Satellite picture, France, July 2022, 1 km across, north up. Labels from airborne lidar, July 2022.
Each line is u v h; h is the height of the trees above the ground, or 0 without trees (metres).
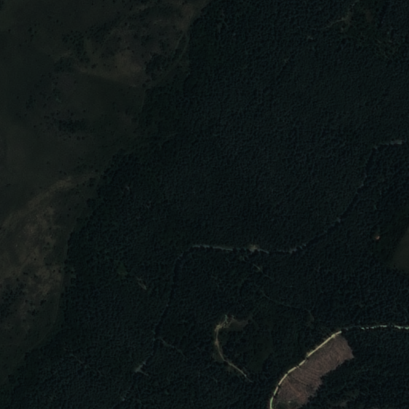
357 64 16
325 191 22
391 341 16
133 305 16
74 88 0
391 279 22
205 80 17
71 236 13
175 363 21
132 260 17
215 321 23
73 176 0
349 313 11
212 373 23
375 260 19
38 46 0
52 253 0
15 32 0
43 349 8
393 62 16
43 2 0
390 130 19
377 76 18
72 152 0
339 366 9
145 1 9
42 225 0
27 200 0
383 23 23
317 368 0
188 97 14
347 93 20
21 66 0
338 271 20
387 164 26
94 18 0
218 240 15
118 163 10
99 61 0
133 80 0
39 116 0
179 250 12
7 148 0
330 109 21
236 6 14
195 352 23
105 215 16
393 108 20
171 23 0
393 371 24
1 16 0
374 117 23
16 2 0
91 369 9
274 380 24
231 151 20
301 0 18
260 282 17
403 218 8
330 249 25
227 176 17
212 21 9
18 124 0
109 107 0
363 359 22
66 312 9
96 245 13
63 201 0
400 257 0
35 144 0
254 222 21
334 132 27
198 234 14
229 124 21
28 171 0
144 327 19
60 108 0
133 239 15
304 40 18
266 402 15
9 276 0
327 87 19
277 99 19
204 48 11
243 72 15
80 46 5
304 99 20
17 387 13
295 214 20
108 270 19
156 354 27
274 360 12
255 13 15
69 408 20
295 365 10
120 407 26
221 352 0
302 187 18
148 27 6
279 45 17
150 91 7
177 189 20
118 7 0
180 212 17
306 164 19
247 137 20
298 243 18
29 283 0
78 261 12
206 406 21
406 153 22
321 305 23
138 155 6
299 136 21
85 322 13
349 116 16
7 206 0
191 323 20
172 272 20
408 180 25
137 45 0
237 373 11
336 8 19
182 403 23
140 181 12
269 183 20
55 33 0
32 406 19
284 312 22
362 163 23
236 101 21
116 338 19
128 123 0
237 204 17
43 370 18
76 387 19
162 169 16
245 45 15
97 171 9
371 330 18
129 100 0
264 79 23
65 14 0
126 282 17
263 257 25
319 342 19
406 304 22
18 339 0
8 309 6
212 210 18
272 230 19
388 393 20
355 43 14
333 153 28
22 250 0
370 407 16
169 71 0
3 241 0
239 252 20
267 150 20
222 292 15
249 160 19
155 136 8
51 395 17
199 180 19
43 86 0
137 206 10
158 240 22
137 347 22
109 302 14
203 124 18
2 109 0
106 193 12
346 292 20
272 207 21
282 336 12
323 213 20
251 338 11
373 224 17
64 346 15
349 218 24
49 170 0
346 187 22
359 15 9
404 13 20
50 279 0
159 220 16
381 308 24
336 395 17
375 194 26
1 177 0
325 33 15
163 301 18
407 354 16
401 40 13
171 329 25
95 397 14
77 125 6
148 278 19
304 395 0
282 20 17
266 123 21
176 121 10
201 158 22
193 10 0
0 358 0
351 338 14
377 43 14
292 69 17
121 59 0
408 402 8
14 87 0
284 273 19
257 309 18
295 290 18
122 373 18
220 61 15
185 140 13
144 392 21
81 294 17
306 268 23
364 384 19
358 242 23
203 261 22
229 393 19
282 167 21
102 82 0
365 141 23
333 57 18
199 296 22
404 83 14
